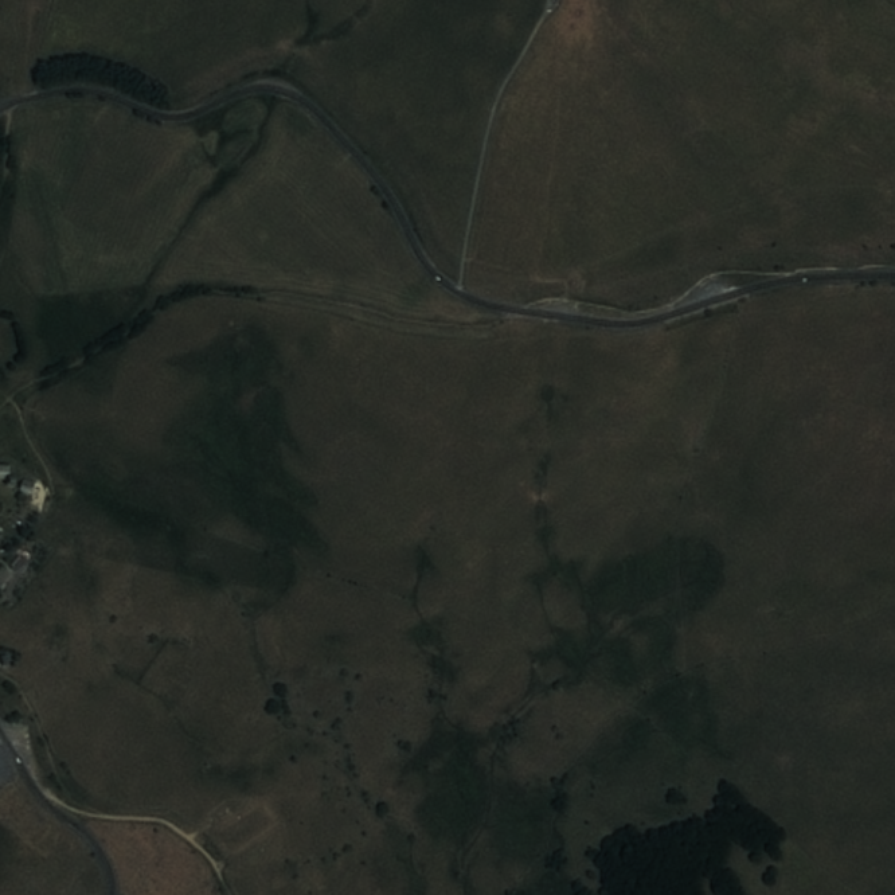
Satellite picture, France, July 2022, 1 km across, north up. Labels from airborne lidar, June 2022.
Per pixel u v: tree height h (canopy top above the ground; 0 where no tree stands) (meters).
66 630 0
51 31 0
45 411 0
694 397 0
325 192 0
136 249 0
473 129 0
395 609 0
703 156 0
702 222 0
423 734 0
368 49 0
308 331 0
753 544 0
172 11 0
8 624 0
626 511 0
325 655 0
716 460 0
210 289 7
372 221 0
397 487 0
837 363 0
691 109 0
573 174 0
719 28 0
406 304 0
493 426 0
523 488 0
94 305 0
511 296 0
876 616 0
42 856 0
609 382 0
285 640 0
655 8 0
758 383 0
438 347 0
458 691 0
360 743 0
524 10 0
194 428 0
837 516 0
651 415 0
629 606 0
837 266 0
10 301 0
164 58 0
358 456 0
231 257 0
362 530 0
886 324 0
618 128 0
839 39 0
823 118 0
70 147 0
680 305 0
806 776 0
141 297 0
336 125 0
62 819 0
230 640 0
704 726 0
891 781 0
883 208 0
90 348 7
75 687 0
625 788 0
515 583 0
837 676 0
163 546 0
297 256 0
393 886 0
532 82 0
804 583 0
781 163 0
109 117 0
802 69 0
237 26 0
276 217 0
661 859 14
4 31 0
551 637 0
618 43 0
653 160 0
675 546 0
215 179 0
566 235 0
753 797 0
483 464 0
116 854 0
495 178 0
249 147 0
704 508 0
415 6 0
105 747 0
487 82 0
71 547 0
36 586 0
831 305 0
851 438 0
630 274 0
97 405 0
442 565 0
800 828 0
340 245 0
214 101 0
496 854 0
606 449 0
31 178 0
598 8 0
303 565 0
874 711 0
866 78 0
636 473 0
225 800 0
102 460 0
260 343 0
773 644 0
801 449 0
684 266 0
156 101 22
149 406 0
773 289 0
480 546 0
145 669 0
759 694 0
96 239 0
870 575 0
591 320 0
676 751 0
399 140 0
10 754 0
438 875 0
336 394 0
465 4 0
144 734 0
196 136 0
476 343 0
